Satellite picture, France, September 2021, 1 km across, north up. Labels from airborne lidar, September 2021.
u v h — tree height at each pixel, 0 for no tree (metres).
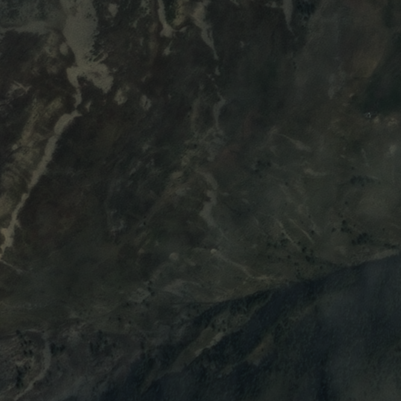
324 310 0
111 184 0
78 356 0
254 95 0
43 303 0
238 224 0
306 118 0
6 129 0
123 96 0
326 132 0
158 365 0
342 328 20
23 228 0
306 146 0
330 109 0
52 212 0
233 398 10
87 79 0
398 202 0
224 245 0
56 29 0
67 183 0
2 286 0
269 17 0
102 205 0
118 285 0
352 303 14
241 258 0
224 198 0
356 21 0
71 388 0
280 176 0
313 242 0
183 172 0
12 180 0
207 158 0
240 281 0
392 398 0
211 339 0
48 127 0
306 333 8
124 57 0
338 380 23
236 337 10
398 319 19
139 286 0
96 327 0
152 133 0
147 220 0
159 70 0
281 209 0
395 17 0
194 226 0
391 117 0
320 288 13
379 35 0
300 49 0
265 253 0
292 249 0
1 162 0
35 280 0
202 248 0
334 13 0
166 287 0
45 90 0
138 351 0
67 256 0
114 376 0
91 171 0
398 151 0
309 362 13
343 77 0
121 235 0
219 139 0
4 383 0
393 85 0
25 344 9
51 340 0
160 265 0
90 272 0
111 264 0
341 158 0
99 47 0
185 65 0
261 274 0
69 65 0
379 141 0
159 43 0
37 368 0
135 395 9
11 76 0
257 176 0
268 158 0
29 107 0
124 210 0
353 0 0
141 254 0
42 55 0
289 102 0
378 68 0
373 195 0
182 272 0
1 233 0
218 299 0
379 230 0
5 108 0
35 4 0
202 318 7
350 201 0
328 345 21
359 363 25
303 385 0
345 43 0
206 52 0
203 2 0
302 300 15
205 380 15
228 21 0
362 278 8
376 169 0
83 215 0
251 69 0
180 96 0
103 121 0
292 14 0
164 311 0
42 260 0
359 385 0
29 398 0
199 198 0
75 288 0
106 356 0
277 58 0
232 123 0
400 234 0
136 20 0
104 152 0
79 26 0
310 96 0
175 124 0
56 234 0
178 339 0
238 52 0
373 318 17
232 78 0
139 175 0
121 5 0
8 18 0
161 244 0
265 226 0
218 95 0
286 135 0
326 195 0
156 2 0
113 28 0
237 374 7
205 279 0
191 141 0
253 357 0
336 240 0
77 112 0
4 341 0
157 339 0
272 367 13
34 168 0
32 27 0
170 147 0
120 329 0
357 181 14
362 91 0
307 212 0
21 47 0
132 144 0
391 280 16
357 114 0
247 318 0
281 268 0
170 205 0
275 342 8
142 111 0
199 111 0
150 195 0
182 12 0
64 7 0
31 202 0
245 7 0
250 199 0
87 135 0
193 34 0
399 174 0
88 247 0
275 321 25
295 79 0
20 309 0
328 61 0
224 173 0
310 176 0
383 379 10
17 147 0
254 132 0
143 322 0
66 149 0
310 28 0
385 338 25
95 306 0
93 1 0
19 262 0
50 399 0
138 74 0
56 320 0
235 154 0
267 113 0
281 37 0
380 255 0
